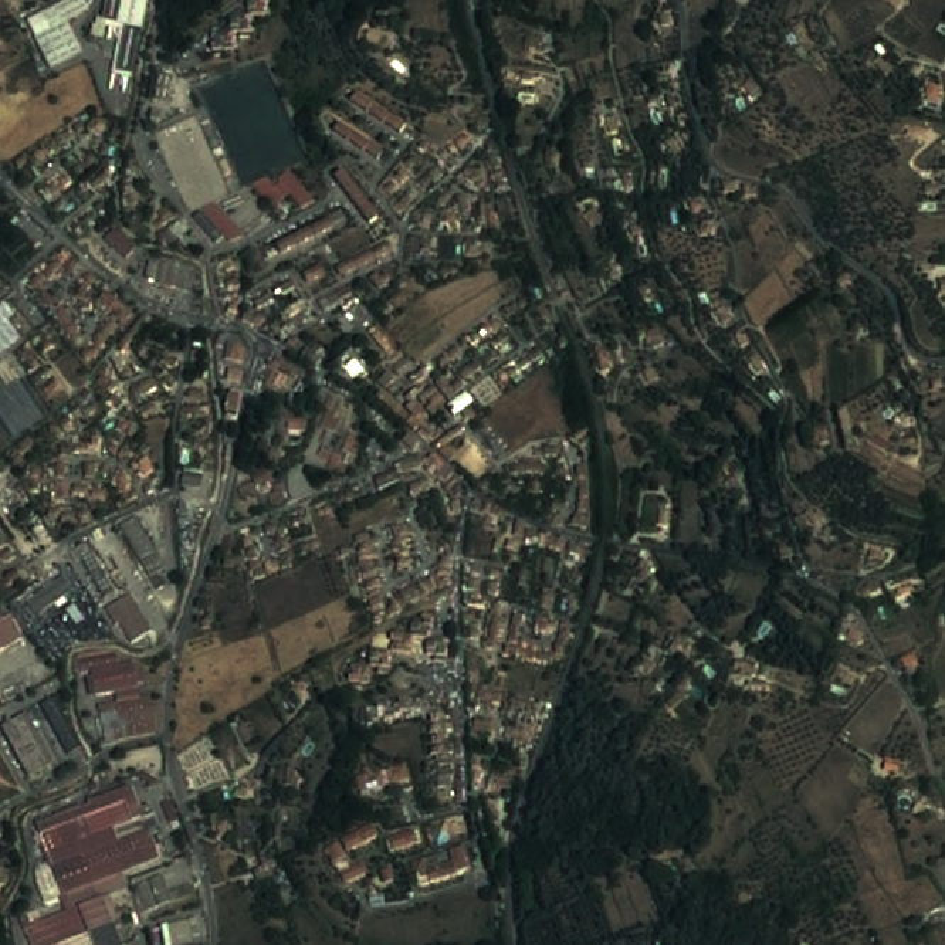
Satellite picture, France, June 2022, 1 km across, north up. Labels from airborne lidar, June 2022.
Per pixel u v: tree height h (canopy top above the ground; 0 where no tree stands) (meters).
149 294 0
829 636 5
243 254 11
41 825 0
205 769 0
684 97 6
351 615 0
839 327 0
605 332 10
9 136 0
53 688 0
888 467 0
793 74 0
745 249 0
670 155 8
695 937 22
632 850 20
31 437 6
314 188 6
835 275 8
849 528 8
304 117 10
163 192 0
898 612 9
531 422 0
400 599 0
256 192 8
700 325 9
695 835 21
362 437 8
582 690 23
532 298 5
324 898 9
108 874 0
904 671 6
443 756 0
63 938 0
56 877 0
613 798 13
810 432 13
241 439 14
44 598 0
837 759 0
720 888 18
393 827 6
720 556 14
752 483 16
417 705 0
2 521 7
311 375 12
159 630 0
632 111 11
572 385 9
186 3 18
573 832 13
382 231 5
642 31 15
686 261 7
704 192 7
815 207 6
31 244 6
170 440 8
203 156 0
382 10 18
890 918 0
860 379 0
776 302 0
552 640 0
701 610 14
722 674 10
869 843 0
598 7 7
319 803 13
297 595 0
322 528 0
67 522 6
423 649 0
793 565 10
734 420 21
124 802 0
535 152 7
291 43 7
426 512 11
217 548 10
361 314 0
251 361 0
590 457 9
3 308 0
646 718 13
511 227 7
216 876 0
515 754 11
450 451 0
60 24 0
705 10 0
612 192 7
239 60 8
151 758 0
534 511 6
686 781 23
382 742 0
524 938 18
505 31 0
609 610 0
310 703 8
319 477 8
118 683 0
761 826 7
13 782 0
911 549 14
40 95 0
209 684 0
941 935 0
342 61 7
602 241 10
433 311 0
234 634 0
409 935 0
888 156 6
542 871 10
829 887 11
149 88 8
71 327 0
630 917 0
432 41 14
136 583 0
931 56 0
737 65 10
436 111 10
